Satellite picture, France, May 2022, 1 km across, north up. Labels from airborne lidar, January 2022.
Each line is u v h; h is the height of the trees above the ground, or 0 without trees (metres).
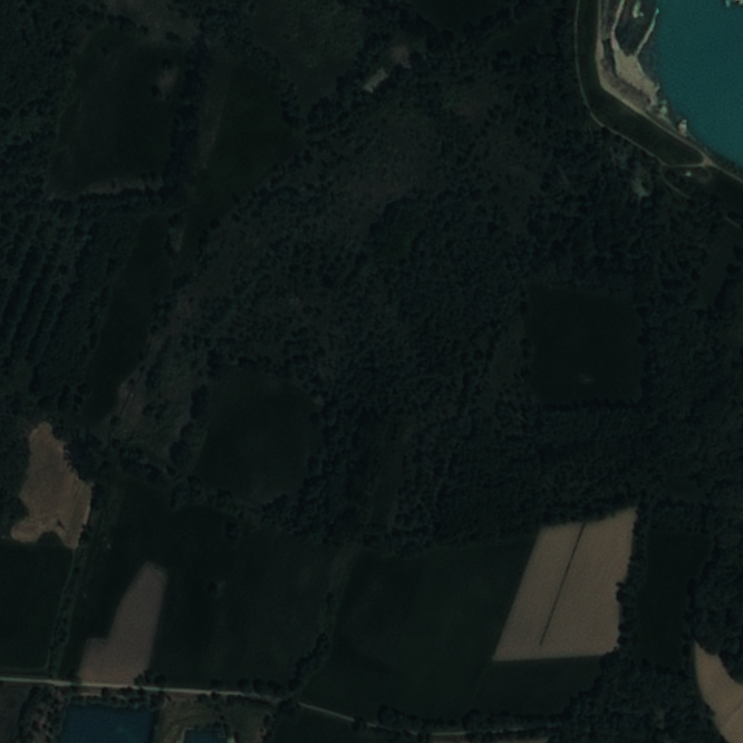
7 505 12
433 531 10
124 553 0
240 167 0
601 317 0
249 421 0
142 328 0
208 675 0
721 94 0
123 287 0
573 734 16
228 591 0
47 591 0
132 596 0
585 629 0
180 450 22
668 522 19
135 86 0
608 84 0
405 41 0
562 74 23
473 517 16
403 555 17
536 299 0
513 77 17
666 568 0
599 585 0
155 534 0
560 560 0
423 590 0
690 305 20
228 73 0
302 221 18
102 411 0
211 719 0
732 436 26
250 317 12
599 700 14
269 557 0
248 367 16
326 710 0
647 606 0
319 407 0
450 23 0
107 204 14
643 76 0
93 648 0
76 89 0
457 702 0
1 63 26
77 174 0
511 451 17
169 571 0
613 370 0
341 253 11
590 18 0
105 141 0
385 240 21
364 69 12
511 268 27
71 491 0
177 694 0
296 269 15
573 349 0
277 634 0
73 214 20
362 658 0
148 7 0
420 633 0
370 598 0
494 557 0
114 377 0
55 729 10
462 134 20
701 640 23
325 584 0
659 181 7
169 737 0
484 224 11
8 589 0
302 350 10
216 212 0
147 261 0
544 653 0
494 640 0
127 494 0
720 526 23
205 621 0
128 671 0
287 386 0
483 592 0
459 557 0
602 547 0
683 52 0
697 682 0
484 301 18
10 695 0
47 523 0
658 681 19
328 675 0
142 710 0
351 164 10
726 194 0
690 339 30
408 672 0
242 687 15
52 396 18
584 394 0
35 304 23
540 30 0
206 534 0
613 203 23
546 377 0
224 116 0
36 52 23
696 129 0
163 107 0
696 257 9
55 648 6
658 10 0
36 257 23
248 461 0
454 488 9
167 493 0
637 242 24
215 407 0
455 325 11
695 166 0
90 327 20
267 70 23
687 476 0
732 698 0
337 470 19
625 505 10
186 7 18
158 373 14
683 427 24
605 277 40
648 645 0
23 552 0
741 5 0
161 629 0
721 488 28
